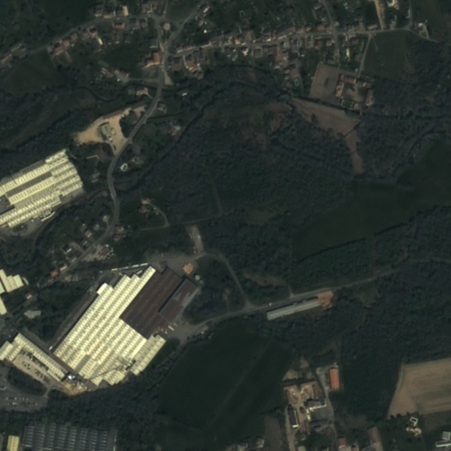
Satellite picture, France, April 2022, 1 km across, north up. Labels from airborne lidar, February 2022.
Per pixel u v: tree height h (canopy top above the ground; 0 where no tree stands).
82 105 0
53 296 15
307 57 13
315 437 6
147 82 0
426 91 8
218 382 0
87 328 0
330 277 18
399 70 0
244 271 18
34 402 0
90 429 13
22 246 19
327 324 14
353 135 0
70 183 0
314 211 9
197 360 0
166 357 0
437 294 27
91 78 0
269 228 17
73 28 0
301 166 22
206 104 17
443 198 0
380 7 0
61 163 0
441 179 0
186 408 0
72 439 0
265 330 19
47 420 19
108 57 0
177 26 0
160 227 0
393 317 13
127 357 0
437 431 0
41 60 0
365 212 0
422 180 0
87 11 0
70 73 17
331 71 0
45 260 19
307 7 0
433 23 0
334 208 19
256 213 0
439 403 0
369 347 7
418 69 10
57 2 0
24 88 0
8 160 25
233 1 0
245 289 10
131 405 26
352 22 0
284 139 20
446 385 0
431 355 15
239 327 0
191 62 0
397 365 7
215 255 0
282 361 0
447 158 0
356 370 6
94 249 0
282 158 18
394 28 0
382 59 0
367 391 7
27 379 21
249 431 0
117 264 0
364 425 0
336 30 0
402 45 0
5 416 18
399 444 0
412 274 25
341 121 0
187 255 0
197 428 6
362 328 9
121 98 11
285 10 8
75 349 0
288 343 16
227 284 16
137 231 15
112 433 0
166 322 0
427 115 20
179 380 0
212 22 0
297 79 0
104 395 15
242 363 0
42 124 0
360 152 18
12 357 0
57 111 0
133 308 0
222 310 24
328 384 0
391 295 26
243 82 21
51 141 14
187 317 19
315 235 0
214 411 0
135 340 0
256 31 10
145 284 0
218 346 0
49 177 0
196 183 11
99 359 0
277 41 0
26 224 0
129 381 0
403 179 0
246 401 0
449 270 21
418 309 23
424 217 14
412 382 0
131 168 12
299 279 13
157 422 15
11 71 21
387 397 0
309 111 0
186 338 0
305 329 23
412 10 0
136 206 0
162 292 0
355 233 0
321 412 0
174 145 18
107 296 0
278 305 0
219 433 0
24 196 0
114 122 0
